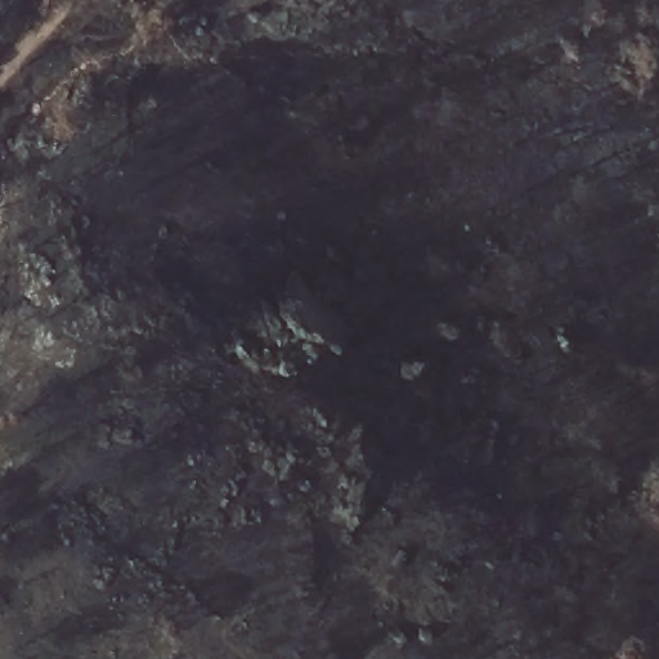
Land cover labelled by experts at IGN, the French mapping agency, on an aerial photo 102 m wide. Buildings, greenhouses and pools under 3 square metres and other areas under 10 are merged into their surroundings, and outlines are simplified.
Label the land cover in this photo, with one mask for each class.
<instances>
[{"label":"bare soil","instance_id":"1","mask_svg":"<svg viewBox=\"0 0 659 659\"><path fill-rule=\"evenodd\" d=\"M595 0H0V70L5 62L13 59L23 36L46 23L59 5L70 10L62 26L23 62V67L10 77V82L0 88V659H659V108H638L633 98L610 90L602 80L582 77L566 67L564 51L553 44V36L556 31L571 26L574 15Z\"/></svg>","mask_w":659,"mask_h":659},{"label":"coniferous trees","instance_id":"2","mask_svg":"<svg viewBox=\"0 0 659 659\"><path fill-rule=\"evenodd\" d=\"M553 44L564 51L566 67L582 77L602 80L610 90L633 98L638 108H659V0H595L574 15L571 26L556 31L553 36Z\"/></svg>","mask_w":659,"mask_h":659},{"label":"pervious surface","instance_id":"3","mask_svg":"<svg viewBox=\"0 0 659 659\"><path fill-rule=\"evenodd\" d=\"M70 10L59 5L46 23L23 36L13 59L5 62L0 70V88L10 82V77L23 67V62L62 26Z\"/></svg>","mask_w":659,"mask_h":659}]
</instances>
